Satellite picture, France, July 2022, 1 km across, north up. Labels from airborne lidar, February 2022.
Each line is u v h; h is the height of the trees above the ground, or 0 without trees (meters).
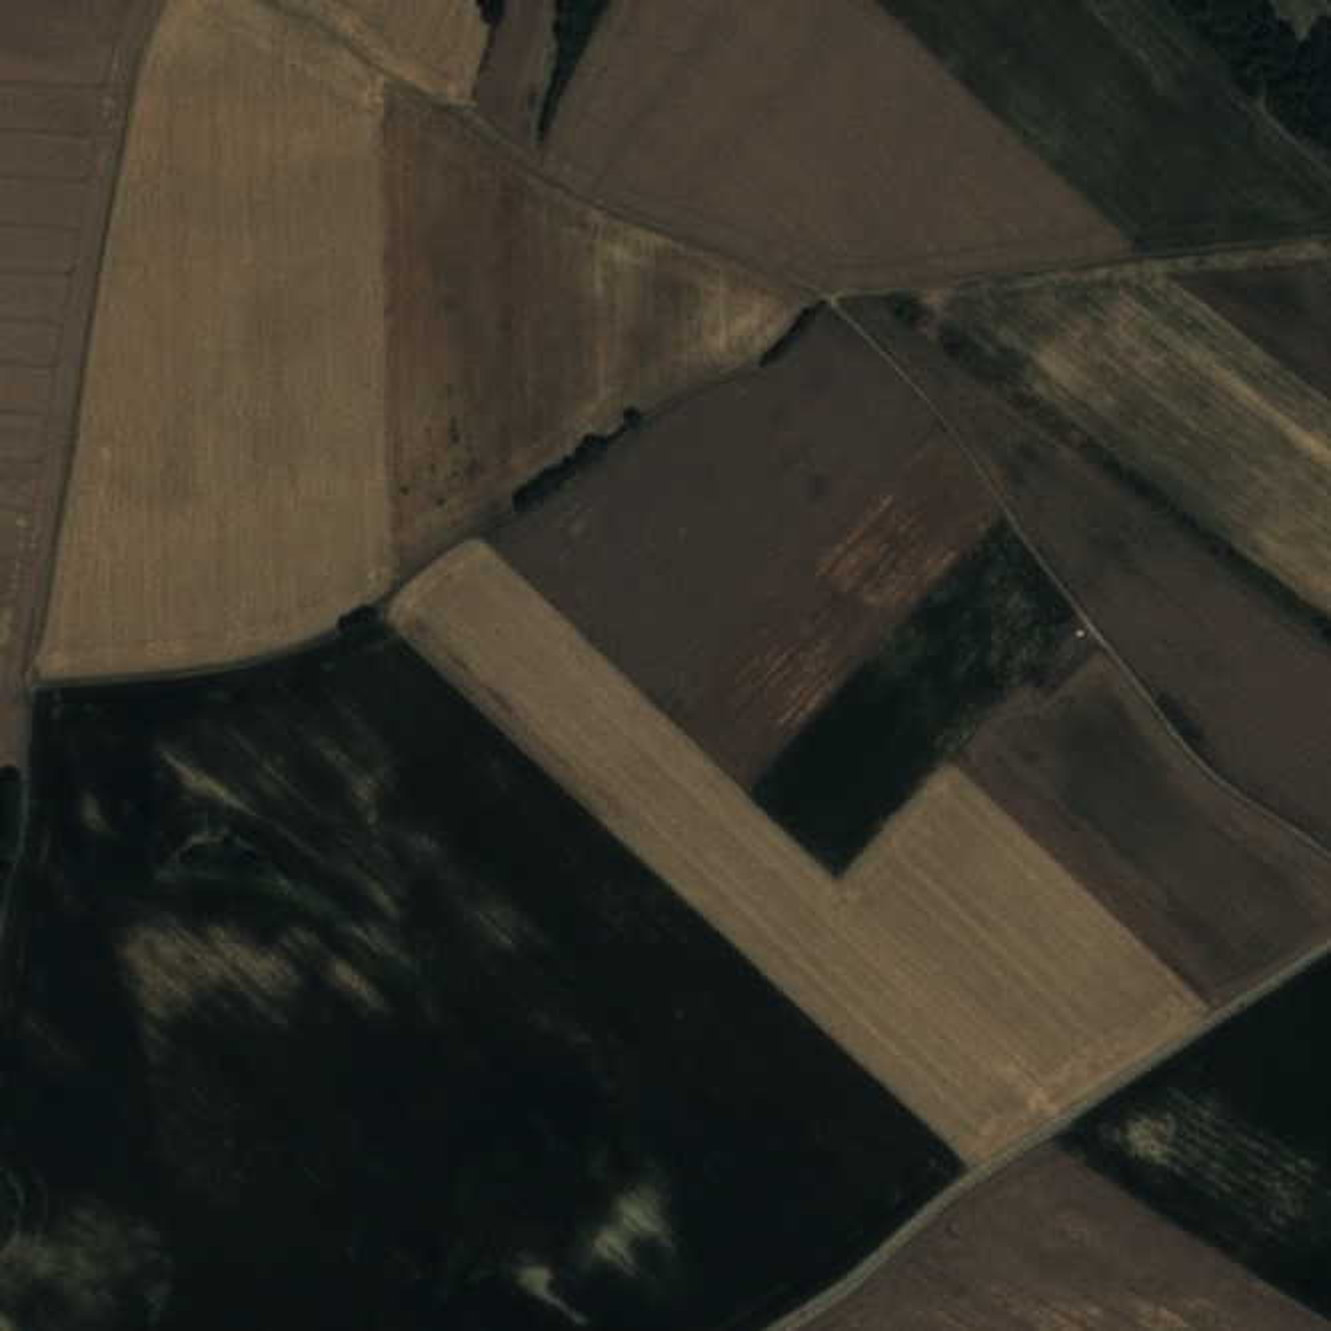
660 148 0
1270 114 0
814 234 0
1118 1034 0
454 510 0
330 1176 0
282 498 0
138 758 0
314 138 0
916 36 0
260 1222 0
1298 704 0
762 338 0
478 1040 0
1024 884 0
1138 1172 0
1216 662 0
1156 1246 0
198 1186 0
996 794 0
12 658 0
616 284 0
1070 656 0
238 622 0
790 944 0
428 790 0
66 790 0
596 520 0
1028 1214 0
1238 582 0
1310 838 0
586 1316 0
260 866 8
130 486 0
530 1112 0
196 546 0
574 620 0
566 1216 0
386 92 0
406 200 0
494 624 0
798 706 0
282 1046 0
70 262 0
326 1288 0
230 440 0
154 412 0
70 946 0
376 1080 0
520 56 0
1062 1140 0
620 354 0
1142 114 0
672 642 0
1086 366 0
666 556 0
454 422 0
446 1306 0
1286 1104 0
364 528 0
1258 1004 0
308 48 0
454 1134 0
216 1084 0
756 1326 0
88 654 0
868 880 0
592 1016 0
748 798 0
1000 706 0
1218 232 0
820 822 0
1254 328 0
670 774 0
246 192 0
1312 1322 0
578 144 0
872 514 0
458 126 0
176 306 0
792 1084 0
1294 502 0
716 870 0
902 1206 0
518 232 0
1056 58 0
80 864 0
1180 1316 0
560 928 0
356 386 0
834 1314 0
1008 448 0
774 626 0
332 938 0
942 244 0
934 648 0
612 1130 0
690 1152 0
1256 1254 0
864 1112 0
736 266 0
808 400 0
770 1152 0
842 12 0
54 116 0
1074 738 0
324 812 0
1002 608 0
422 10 0
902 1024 0
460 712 0
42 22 0
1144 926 0
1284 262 0
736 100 0
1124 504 0
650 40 0
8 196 0
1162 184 0
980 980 0
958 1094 0
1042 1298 0
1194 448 0
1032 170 0
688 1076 0
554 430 0
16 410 0
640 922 0
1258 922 0
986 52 0
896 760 0
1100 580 0
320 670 0
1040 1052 0
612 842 0
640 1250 0
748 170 0
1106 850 0
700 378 0
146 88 0
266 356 0
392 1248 0
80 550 0
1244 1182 0
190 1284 0
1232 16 16
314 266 0
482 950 0
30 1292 0
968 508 0
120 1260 0
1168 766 0
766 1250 0
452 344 0
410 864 0
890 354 0
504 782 0
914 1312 0
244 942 0
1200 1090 0
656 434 0
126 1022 0
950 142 0
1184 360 0
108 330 0
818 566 0
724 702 0
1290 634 0
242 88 0
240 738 0
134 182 0
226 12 0
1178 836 0
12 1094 0
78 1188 0
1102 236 0
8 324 0
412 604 0
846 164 0
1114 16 0
